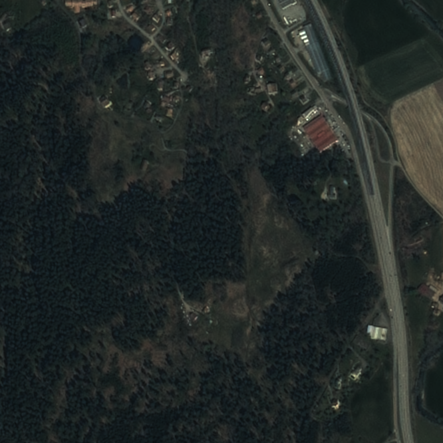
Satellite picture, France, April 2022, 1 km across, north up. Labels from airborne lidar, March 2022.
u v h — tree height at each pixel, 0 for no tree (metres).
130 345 28
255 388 30
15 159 30
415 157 0
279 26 0
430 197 0
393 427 0
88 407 21
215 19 14
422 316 0
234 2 15
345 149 0
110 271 29
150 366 22
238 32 0
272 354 28
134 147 8
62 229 30
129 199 23
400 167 0
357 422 0
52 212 31
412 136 0
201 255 24
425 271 0
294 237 0
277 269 0
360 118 0
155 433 22
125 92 0
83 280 27
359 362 0
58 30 7
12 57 32
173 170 0
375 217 0
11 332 33
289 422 33
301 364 27
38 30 12
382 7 0
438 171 0
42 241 32
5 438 29
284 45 0
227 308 0
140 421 13
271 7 0
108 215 28
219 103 14
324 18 0
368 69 0
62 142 33
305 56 0
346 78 0
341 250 11
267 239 0
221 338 0
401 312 0
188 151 12
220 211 30
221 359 28
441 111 0
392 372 0
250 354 0
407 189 0
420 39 0
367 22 0
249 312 0
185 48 9
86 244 29
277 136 19
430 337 27
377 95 0
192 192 32
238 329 0
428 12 0
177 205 32
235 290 0
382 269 0
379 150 0
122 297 31
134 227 31
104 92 0
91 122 13
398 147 0
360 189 17
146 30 0
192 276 17
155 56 0
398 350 0
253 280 0
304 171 18
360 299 11
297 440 17
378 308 0
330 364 27
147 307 22
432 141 0
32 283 36
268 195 0
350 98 0
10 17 7
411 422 0
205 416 32
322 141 0
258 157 22
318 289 12
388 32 0
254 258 0
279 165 15
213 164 29
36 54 30
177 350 8
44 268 28
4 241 24
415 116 0
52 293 27
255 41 0
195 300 18
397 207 0
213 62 0
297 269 0
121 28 0
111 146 0
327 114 0
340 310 13
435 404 0
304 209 13
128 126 0
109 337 0
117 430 17
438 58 0
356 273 11
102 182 0
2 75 30
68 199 25
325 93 0
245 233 27
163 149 0
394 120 0
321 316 30
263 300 0
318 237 17
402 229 0
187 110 0
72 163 19
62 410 9
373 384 0
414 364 0
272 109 15
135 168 0
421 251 10
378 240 0
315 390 29
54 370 40
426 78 0
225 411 18
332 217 16
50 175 33
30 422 31
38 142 35
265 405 8
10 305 31
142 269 29
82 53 12
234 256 6
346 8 0
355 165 18
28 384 37
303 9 0
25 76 29
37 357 34
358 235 12
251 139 12
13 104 22
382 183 0
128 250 28
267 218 0
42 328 33
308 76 0
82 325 36
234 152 19
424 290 0
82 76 27
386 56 0
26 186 25
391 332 0
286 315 11
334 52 0
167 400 15
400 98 0
